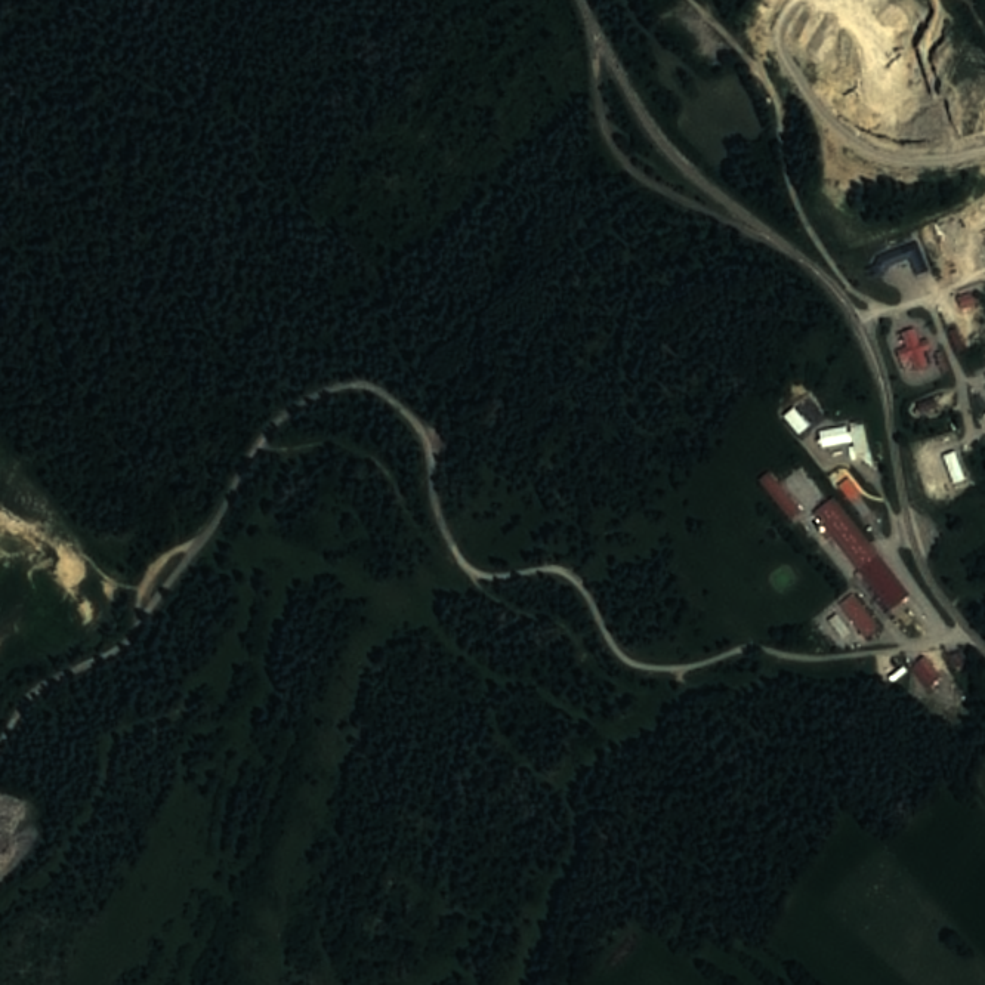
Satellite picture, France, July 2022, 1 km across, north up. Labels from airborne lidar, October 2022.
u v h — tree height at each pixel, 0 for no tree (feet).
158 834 0
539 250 94
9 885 46
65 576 0
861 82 0
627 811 102
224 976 19
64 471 68
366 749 58
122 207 73
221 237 101
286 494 85
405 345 41
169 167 32
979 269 0
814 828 92
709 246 46
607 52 0
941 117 0
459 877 74
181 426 22
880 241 0
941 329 0
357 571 0
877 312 0
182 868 0
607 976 0
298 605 67
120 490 60
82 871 56
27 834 0
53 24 56
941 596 0
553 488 37
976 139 0
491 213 84
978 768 64
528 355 50
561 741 78
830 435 0
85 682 63
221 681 0
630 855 86
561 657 25
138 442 50
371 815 18
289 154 54
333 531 0
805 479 0
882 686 86
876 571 0
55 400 94
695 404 99
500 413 77
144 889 0
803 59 0
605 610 56
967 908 0
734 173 102
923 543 0
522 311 73
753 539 0
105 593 0
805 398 0
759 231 0
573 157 92
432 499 0
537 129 38
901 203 43
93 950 0
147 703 89
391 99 41
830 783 60
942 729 106
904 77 0
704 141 0
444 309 87
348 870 47
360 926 48
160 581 0
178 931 0
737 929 67
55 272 31
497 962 64
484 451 45
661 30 34
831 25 0
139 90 61
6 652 0
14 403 35
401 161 19
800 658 0
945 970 0
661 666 0
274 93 60
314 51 68
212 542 0
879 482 0
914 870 0
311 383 63
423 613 0
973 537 0
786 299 81
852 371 0
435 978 0
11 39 74
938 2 0
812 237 0
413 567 39
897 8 0
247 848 79
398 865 19
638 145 49
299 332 34
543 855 61
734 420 56
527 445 47
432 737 31
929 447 0
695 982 0
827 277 0
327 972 0
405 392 111
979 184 0
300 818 0
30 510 0
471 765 83
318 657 66
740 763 95
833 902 0
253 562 0
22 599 0
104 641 24
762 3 0
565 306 43
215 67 73
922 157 0
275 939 0
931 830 0
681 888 95
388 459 33
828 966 0
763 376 54
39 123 57
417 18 64
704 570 0
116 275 93
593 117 70
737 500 0
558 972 73
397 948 54
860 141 0
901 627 0
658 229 71
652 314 92
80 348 97
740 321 77
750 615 0
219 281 37
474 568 0
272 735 22
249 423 35
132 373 70
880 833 68
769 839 96
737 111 0
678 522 0
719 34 0
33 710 79
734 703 73
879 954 0
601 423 75
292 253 21
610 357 59
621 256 88
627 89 0
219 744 18
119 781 52
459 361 63
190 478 113
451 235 40
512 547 0
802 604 0
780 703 58
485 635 43
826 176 0
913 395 0
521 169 85
